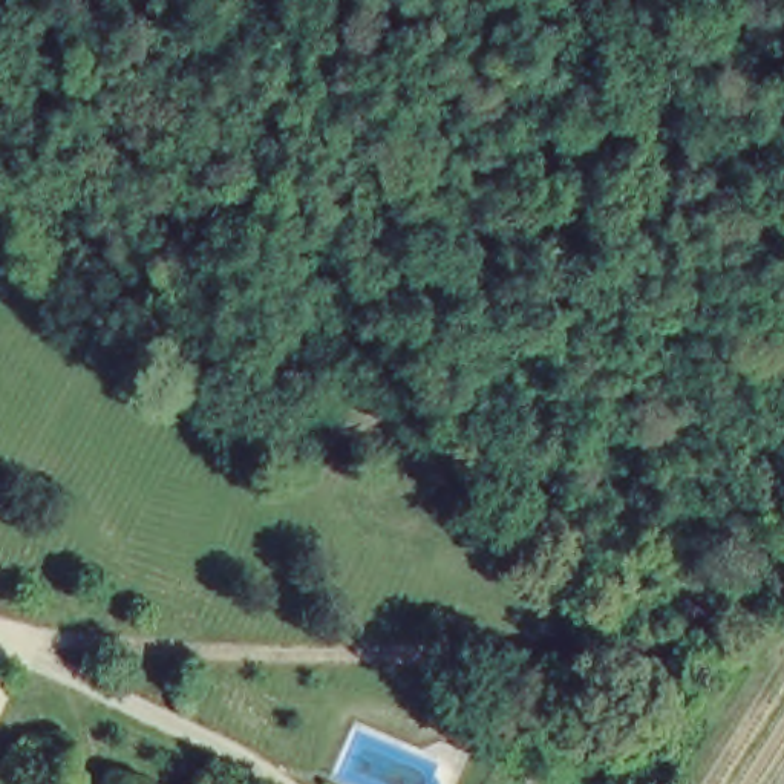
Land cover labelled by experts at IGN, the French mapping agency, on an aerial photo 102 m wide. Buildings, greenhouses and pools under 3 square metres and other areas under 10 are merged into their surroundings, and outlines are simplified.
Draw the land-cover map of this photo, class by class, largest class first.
<instances>
[{"label":"deciduous trees","instance_id":"1","mask_svg":"<svg viewBox=\"0 0 784 784\"><path fill-rule=\"evenodd\" d=\"M0 217L12 227V236L3 242L6 276L40 306L43 322L34 334L49 349L61 352L67 364L92 371L104 395L126 401L132 410H138L135 417L141 423L172 426L178 423V413L190 417L199 435L214 444L217 453L205 459V469L221 478L230 475L233 441H266L270 462L251 478V484H245L248 493H309L319 484V478L331 469L322 450V432L328 426L358 429L355 453L364 462L371 456H380L383 450H392L398 462L410 453L423 459L432 453H444L466 466L472 481L469 505L450 515L447 521H438L447 539L456 548H462L466 560L484 545L502 554L527 536L539 545V551L533 564L515 567L518 603L505 609V619L518 628L515 634L481 628L472 616H462L447 603H429L432 609L423 619H417V631L429 643V665L423 671V683L429 686L432 704L426 729L441 732L444 741L466 750L469 760L475 766L493 769L496 775H511L521 766L524 750L539 747L545 760V775L536 778L539 784H637V772L655 763H674L671 784H689V760L683 753V738L698 735L704 723H711V692L723 689V674L732 665V658H738L747 649V643L763 637L766 625H778L784 631V0H0ZM64 487L55 484L46 472L6 462L0 508V524L15 527L25 536L61 527L64 508L58 505V493ZM294 585L303 591V613L294 628L303 631L309 643L334 646V640L340 637V616L331 609L319 551L294 557L291 567ZM15 588L34 600V609L40 616H46L58 588H52V582L43 576L40 564H28L18 570ZM74 594L92 616L95 609H104L110 603V597L116 594V582L113 576H104L98 564H80ZM227 600H233L242 613L279 609L276 582L270 573L263 582H251L242 576L227 594ZM126 622L144 640H153L159 628V609L150 603L138 616H126ZM98 692L141 695L147 701L168 707L172 714H181L184 720H193L202 698H208L214 689L211 662L193 652L181 662L178 680L153 686L144 674L138 649H129L116 637H101L98 649L86 655L74 674ZM34 674L15 658H6L0 665V689L9 701L12 695H21L28 689ZM89 750L80 744L70 747L61 729L52 723L43 735L18 738L15 744L0 750V784H162V775H141L116 760L107 763L104 778L89 781ZM184 738L168 735L162 744H153L150 763L159 772H165ZM239 760L233 756L214 753L193 784H276L270 778L254 775V769L242 772L236 766Z\"/></svg>","mask_w":784,"mask_h":784},{"label":"herbaceous vegetation","instance_id":"2","mask_svg":"<svg viewBox=\"0 0 784 784\"><path fill-rule=\"evenodd\" d=\"M12 236V227L0 217V508L6 462L46 472L55 484L64 487L58 493V505L64 508L61 527L25 536L15 527L0 524V616L34 628H49L55 634L58 662L74 674L86 655L98 649L101 637H116L129 649H138L144 674L153 686L178 680L181 662L193 652L199 649V643H309L303 631L294 628L303 613V591L294 585L291 567L294 557L319 551L331 609L340 616V637L334 640V646L352 649V640L364 634L377 646L423 643L429 649V643L417 631V619H423L432 609L429 603H447L462 616H472L481 628L515 634L518 628L505 619V609L518 603L515 567L533 564L539 551V545L527 536L502 554L484 545L466 560L462 548H456L447 539L438 521H447L450 515L469 505L472 481L466 466L444 453H432L423 459L410 453L398 462L392 450H383L380 456H371L364 462L355 453L358 429L328 426L322 432V450L331 469L319 478V484L309 493H248L245 484H251V478L270 462L266 441H233L230 475L221 478L205 469V459L217 453L214 444L199 435L190 417L178 413V423L172 426L141 423L135 417L138 410H132L126 401L104 395L92 371L67 364L61 352L49 349L34 334L43 322L40 306L6 276L3 242ZM28 564H40L43 576L52 582V588H58L46 616H40L34 609V600L15 588L18 570ZM80 564H98L104 576H113L116 582V594L110 597V603L104 609H95L92 616L74 594ZM270 573L276 582L279 609L242 613L233 600H227V594L242 576L251 582H263ZM150 603L159 609V628L153 640H144L126 622V616H138ZM784 652V631L778 625H766L763 637L747 643V649L738 658H732V665L723 674V689L711 692V723H704L698 735L683 738V753L689 760V784H701L717 753L714 735L723 707L747 686V680L766 662ZM214 689L208 698H202L193 720L211 732H221L224 738L239 741L242 747L257 750L273 766L288 769L297 784H337L331 778L334 766L352 726H371L413 747H432L444 741L441 732L426 729L432 704L429 686L423 683V671L417 665H398L386 680H380L377 671L358 665V658L352 665L211 662ZM52 723L61 729L70 747L80 744L89 750V781L104 778L107 763L116 760L141 775H162V784H193L214 753L184 738L165 772H159L150 763L153 744H162L168 735L119 711L92 704L80 692L34 674L28 689L21 695H12L9 701L0 689V723ZM545 775V760L539 747L524 750L521 766L511 775H496L493 769L475 766L469 760L456 784H539L536 778ZM674 763H655L637 772V784H671Z\"/></svg>","mask_w":784,"mask_h":784},{"label":"pervious surface","instance_id":"3","mask_svg":"<svg viewBox=\"0 0 784 784\"><path fill-rule=\"evenodd\" d=\"M6 658H15L34 674L80 692L92 704L119 711L168 735L184 738L214 753L233 756L239 760L236 766L242 772L254 769V775L270 778L276 784H297L288 769L273 766L257 750L242 747L239 741L224 738L221 732H211L193 720H184L181 714H172L168 707L147 701L141 695L98 692L58 662L55 634L49 628H34L0 616V665ZM211 662L352 665L358 658V665L377 671L380 680H386L398 665H417L423 671L429 665V649L423 643L377 646L364 634L352 640V649L334 646L309 643H199V649L193 652ZM52 723H0V750L15 744L18 738L43 735Z\"/></svg>","mask_w":784,"mask_h":784},{"label":"vineyard","instance_id":"4","mask_svg":"<svg viewBox=\"0 0 784 784\"><path fill-rule=\"evenodd\" d=\"M717 753L701 784H784V652L766 662L747 680V686L723 707L714 735Z\"/></svg>","mask_w":784,"mask_h":784},{"label":"swimming pool","instance_id":"5","mask_svg":"<svg viewBox=\"0 0 784 784\"><path fill-rule=\"evenodd\" d=\"M331 778L337 784H438L432 763L407 756L374 738L355 741L346 769L334 766Z\"/></svg>","mask_w":784,"mask_h":784},{"label":"impervious surface","instance_id":"6","mask_svg":"<svg viewBox=\"0 0 784 784\"><path fill-rule=\"evenodd\" d=\"M374 738L407 756L432 763L438 784H456L469 760L466 750L444 741L432 747H413L371 726H352L334 766L346 769L355 741Z\"/></svg>","mask_w":784,"mask_h":784}]
</instances>
